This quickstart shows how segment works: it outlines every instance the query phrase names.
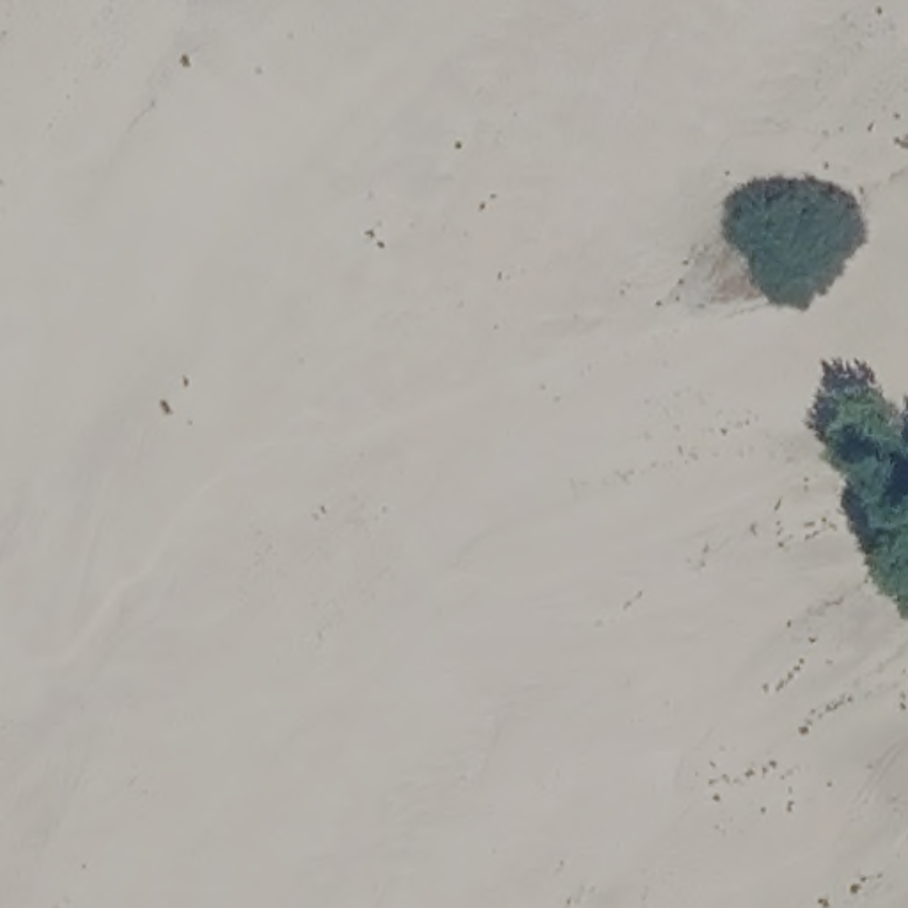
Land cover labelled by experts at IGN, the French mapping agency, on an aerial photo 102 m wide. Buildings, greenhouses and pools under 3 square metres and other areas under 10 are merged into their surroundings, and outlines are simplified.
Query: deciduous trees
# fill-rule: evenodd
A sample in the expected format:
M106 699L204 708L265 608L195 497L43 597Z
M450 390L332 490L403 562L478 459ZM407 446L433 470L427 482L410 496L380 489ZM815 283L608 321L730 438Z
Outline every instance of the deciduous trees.
M826 447L830 465L844 475L844 486L858 493L869 528L876 536L876 550L865 553L865 568L880 592L887 592L908 617L908 497L890 497L887 482L890 454L908 458L908 440L904 411L883 401L876 383L844 387L837 394L837 415L826 429L816 433Z

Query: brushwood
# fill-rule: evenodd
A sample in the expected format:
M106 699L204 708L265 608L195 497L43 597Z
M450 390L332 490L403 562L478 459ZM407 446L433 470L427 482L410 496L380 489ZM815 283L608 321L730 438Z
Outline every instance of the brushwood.
M752 284L773 305L805 309L841 277L848 255L865 238L865 223L855 199L830 181L766 177L748 181L727 195L724 238L748 259Z

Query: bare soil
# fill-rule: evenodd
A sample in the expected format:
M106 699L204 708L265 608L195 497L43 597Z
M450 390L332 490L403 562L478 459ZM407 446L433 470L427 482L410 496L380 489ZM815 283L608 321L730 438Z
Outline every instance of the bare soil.
M724 238L727 195L748 181L766 177L830 181L855 199L865 223L865 238L848 255L841 277L805 309L773 305L752 284L748 259ZM0 0L0 908L908 908L908 617L887 592L880 592L865 568L865 553L876 550L876 536L869 528L858 493L844 486L844 475L830 465L826 447L816 433L826 429L837 415L837 394L844 387L876 383L883 401L904 411L908 440L908 0Z

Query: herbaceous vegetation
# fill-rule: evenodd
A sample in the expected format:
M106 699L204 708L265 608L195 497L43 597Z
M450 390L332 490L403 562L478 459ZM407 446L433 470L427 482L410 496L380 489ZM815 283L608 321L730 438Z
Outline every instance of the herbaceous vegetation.
M887 482L890 497L908 497L908 458L890 454Z

